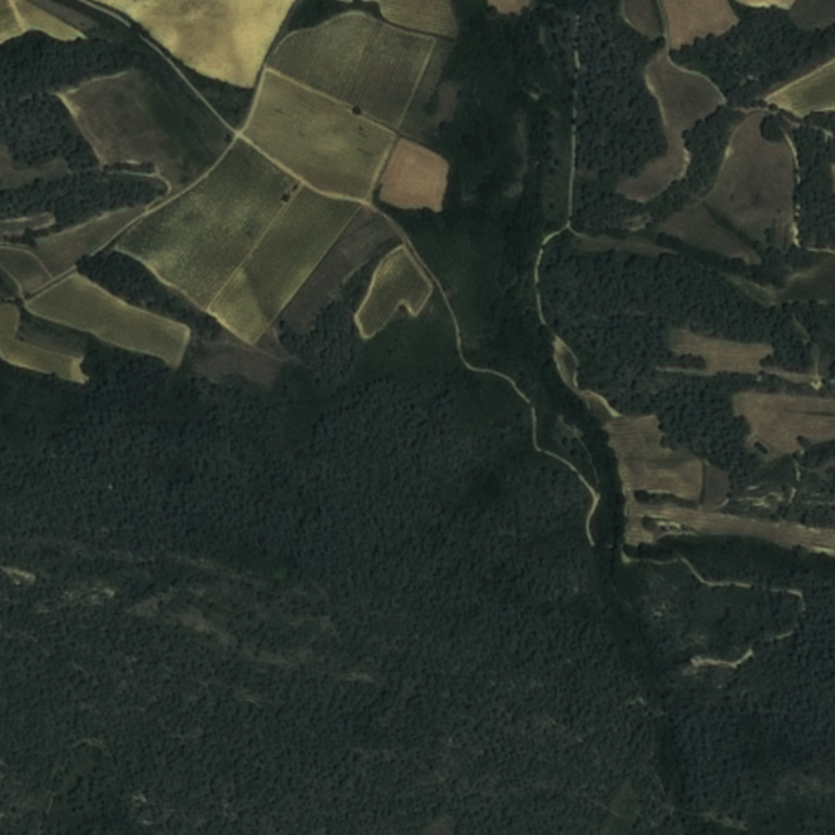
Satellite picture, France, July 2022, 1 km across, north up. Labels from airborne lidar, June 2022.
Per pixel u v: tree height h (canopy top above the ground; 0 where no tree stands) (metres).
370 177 0
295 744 12
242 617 10
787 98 0
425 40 0
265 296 0
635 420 0
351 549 17
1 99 15
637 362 11
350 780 14
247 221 0
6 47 9
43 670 8
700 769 17
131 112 0
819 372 0
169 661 13
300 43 0
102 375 8
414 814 11
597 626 21
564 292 11
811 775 13
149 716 10
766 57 12
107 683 9
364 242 0
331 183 0
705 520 0
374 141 0
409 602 12
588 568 15
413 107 0
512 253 7
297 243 0
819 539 0
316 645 10
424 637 11
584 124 7
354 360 13
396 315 0
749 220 0
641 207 8
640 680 14
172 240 0
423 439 10
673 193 12
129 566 8
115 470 12
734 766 8
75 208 14
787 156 0
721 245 0
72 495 8
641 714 12
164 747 9
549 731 12
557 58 8
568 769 11
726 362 0
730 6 0
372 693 13
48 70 14
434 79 0
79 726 13
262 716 12
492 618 12
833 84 0
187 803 9
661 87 0
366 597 9
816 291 0
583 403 15
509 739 11
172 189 0
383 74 0
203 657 11
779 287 13
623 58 13
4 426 8
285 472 8
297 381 6
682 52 10
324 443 9
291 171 0
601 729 13
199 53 0
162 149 0
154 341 0
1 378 10
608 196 11
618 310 11
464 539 16
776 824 9
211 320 10
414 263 0
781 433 0
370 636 10
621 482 9
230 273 0
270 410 10
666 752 14
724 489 0
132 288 11
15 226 0
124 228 0
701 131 11
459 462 10
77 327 0
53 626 9
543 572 13
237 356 0
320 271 0
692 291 12
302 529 9
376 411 11
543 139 6
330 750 15
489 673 14
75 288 0
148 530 12
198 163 0
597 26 12
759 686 6
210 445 8
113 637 13
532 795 8
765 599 7
